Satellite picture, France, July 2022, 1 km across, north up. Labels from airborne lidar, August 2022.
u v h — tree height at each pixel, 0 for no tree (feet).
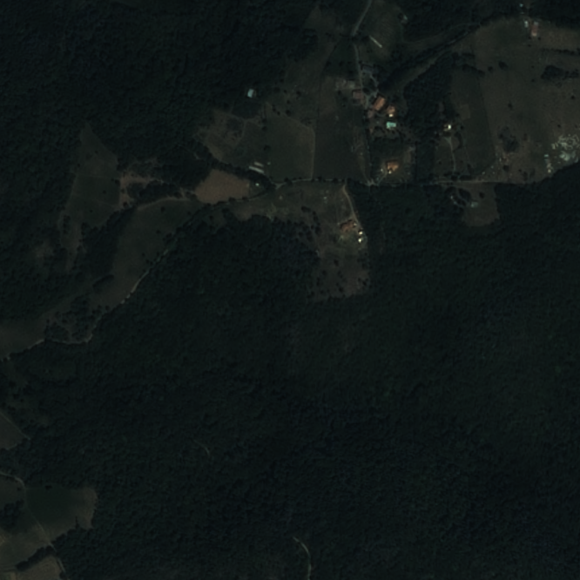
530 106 0
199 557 34
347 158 0
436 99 48
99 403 67
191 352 53
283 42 48
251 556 22
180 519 83
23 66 43
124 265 0
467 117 0
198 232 46
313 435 104
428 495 45
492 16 32
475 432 54
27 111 50
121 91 56
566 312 45
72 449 39
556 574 52
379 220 22
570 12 40
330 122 0
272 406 65
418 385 75
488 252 29
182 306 42
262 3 29
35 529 0
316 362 33
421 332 70
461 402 49
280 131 0
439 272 38
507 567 31
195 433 49
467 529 89
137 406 60
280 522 62
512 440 45
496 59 0
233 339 52
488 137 0
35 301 34
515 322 36
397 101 31
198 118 27
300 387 76
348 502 56
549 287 56
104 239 41
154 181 18
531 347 37
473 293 50
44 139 21
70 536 22
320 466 83
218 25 36
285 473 78
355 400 89
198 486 73
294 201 0
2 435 0
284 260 50
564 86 0
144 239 0
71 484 37
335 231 0
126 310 25
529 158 0
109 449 24
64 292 19
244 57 81
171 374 41
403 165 0
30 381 56
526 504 94
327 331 25
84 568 19
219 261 43
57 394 77
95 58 58
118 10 44
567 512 104
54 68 22
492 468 76
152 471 42
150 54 35
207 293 50
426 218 23
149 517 31
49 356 22
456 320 76
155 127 44
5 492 0
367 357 43
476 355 44
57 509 0
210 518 65
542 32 0
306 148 0
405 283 31
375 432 72
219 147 0
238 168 22
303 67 0
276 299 56
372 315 27
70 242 0
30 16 23
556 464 50
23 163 34
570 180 35
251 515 73
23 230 40
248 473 104
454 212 36
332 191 0
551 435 60
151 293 25
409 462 59
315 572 22
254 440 47
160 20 20
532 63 0
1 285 31
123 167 35
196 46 74
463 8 26
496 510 77
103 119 35
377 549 56
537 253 52
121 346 42
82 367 37
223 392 35
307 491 55
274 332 56
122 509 39
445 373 72
